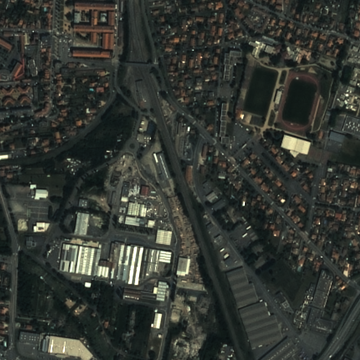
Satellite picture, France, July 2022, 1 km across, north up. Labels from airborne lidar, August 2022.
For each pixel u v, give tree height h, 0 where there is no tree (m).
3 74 0
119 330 0
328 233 7
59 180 0
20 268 11
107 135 6
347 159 0
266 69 0
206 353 7
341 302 9
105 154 7
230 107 0
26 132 9
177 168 0
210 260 0
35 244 0
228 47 0
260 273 18
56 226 0
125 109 0
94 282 10
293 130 0
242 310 0
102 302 8
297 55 0
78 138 0
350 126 0
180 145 0
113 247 0
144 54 0
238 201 9
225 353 0
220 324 8
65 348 0
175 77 6
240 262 0
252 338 0
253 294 0
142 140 0
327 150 0
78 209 9
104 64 0
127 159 0
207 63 8
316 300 0
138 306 8
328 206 7
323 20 7
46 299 0
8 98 0
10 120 7
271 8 7
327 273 11
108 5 0
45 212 0
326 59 0
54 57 0
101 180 6
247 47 21
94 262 0
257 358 0
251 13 0
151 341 0
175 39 0
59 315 0
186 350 0
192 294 0
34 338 0
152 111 11
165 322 0
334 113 19
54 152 0
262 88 0
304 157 0
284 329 0
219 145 0
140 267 0
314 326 0
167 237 0
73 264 0
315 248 0
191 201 0
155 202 0
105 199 0
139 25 0
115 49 0
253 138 0
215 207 0
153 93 0
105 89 9
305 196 0
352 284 0
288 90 0
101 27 0
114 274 0
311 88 0
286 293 0
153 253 0
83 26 0
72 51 0
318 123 0
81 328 8
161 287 0
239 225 7
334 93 6
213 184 0
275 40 10
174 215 0
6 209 0
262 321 0
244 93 0
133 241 0
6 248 10
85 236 0
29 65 0
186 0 7
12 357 0
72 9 0
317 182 0
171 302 0
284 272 0
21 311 10
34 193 0
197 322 0
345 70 16
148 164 0
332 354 0
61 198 11
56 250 0
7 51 6
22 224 0
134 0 0
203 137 0
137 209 0
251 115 0
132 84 0
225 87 0
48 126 0
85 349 0
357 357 0
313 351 0
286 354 0
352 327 0
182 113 0
